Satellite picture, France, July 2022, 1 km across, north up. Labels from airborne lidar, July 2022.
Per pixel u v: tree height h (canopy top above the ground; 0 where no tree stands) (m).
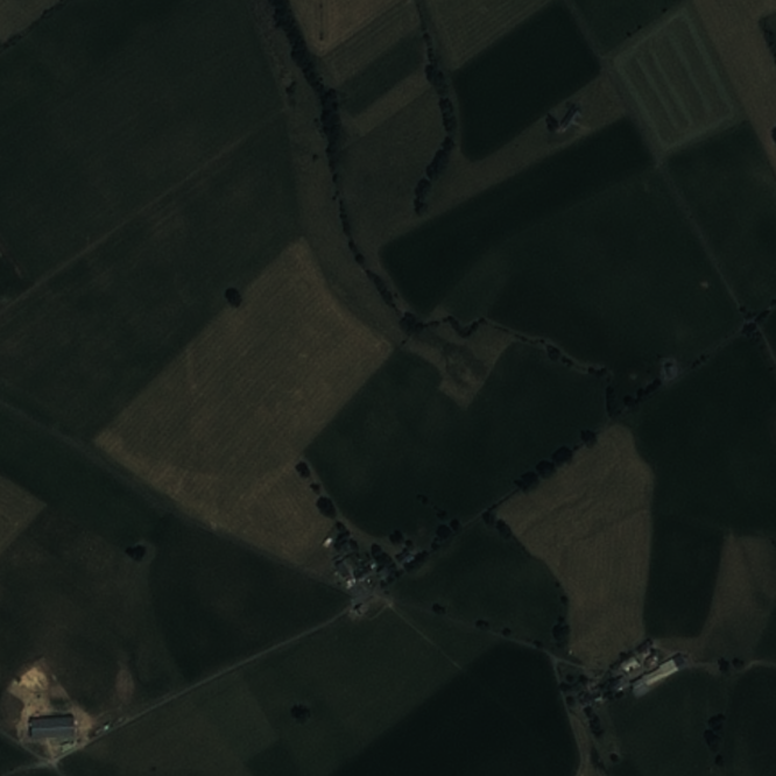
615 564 0
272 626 0
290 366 0
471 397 0
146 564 0
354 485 0
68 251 0
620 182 0
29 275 0
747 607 0
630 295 0
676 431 0
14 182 0
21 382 0
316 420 0
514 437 0
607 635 0
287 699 0
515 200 0
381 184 0
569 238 0
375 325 0
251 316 0
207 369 0
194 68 0
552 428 0
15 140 0
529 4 0
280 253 0
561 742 0
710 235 0
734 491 0
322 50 0
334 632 0
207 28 0
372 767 0
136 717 0
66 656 0
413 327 10
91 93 0
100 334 0
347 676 0
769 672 0
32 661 0
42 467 0
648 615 0
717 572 0
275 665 0
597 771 0
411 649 0
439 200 0
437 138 0
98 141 0
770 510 0
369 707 0
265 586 0
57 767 0
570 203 0
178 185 0
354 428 0
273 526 0
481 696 0
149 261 0
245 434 0
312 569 0
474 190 0
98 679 0
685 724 0
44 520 0
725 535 0
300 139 0
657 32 0
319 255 0
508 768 0
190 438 0
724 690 0
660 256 0
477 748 0
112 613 0
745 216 0
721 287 0
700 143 0
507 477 0
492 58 0
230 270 0
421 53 0
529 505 0
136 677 0
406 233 0
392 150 0
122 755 0
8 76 0
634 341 0
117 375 0
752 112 0
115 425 0
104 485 0
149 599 0
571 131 0
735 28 0
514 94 0
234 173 0
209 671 0
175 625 0
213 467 0
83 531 0
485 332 0
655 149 0
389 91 0
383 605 0
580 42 0
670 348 0
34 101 0
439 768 0
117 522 0
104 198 0
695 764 0
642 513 0
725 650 0
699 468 0
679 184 0
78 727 0
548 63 0
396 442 0
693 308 0
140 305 0
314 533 0
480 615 0
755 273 0
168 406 0
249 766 0
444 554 0
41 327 0
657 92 0
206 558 0
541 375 0
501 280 0
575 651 0
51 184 0
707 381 0
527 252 0
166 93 0
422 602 0
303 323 0
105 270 0
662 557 0
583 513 0
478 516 0
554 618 0
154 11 0
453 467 0
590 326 0
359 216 0
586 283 0
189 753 0
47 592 0
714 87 0
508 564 0
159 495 0
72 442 0
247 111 0
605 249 0
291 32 10
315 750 0
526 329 0
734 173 0
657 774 0
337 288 0
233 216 0
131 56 0
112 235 0
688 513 0
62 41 0
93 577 0
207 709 0
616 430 0
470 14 0
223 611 0
